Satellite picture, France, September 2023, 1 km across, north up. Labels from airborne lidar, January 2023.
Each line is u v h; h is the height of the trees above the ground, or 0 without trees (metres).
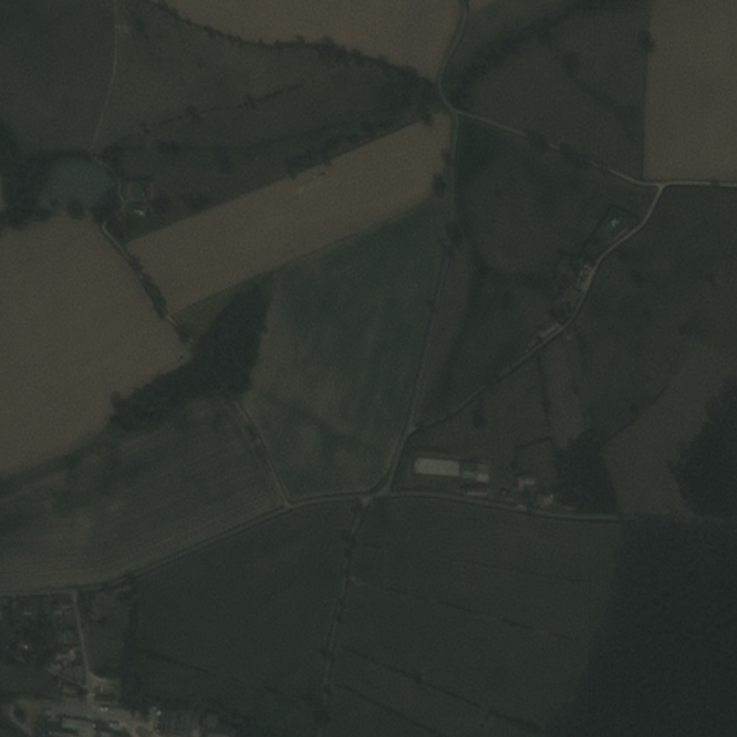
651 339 0
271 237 0
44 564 0
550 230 0
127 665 8
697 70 0
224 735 0
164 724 0
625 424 0
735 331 0
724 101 0
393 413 0
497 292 0
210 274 0
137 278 0
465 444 0
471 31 0
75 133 0
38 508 0
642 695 19
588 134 0
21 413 0
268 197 0
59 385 0
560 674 0
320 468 0
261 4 0
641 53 0
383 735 0
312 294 0
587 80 0
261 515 0
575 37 0
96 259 0
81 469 0
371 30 0
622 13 0
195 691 0
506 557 0
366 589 0
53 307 0
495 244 0
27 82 0
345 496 0
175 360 0
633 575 16
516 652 0
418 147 0
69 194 0
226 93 0
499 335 0
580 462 17
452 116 0
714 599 21
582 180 0
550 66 0
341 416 0
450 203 0
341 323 0
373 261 0
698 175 0
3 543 0
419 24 0
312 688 0
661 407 0
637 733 19
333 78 0
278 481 0
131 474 0
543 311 0
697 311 0
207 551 0
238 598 0
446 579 0
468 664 0
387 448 0
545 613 0
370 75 0
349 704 0
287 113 0
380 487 0
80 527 0
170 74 0
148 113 0
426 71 0
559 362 0
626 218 0
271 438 0
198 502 0
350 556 12
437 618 0
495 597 0
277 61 0
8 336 0
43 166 16
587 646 0
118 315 0
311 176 0
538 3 0
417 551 0
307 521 0
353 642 0
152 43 0
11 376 0
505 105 0
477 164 0
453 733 0
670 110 0
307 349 0
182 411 0
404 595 0
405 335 0
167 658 6
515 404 0
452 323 0
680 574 18
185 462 0
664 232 0
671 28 0
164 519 0
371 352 0
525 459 0
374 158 0
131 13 0
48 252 0
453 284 0
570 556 0
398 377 0
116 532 0
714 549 20
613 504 15
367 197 0
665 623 20
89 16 0
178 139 0
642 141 0
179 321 0
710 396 0
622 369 0
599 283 0
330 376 0
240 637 0
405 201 0
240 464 0
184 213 0
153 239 0
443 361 0
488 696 0
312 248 0
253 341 19
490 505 0
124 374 0
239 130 0
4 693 8
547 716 0
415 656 0
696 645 23
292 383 0
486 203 0
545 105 0
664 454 0
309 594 0
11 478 0
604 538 0
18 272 0
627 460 0
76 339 0
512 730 0
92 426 0
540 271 0
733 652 22
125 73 0
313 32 0
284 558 0
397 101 0
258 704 0
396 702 0
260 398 0
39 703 0
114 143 0
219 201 0
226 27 0
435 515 0
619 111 0
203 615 0
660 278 0
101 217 10
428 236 0
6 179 8
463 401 0
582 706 16
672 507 0
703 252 0
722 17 0
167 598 0
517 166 0
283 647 0
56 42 0
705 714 21
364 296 0
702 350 0
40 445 0
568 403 0
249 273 0
